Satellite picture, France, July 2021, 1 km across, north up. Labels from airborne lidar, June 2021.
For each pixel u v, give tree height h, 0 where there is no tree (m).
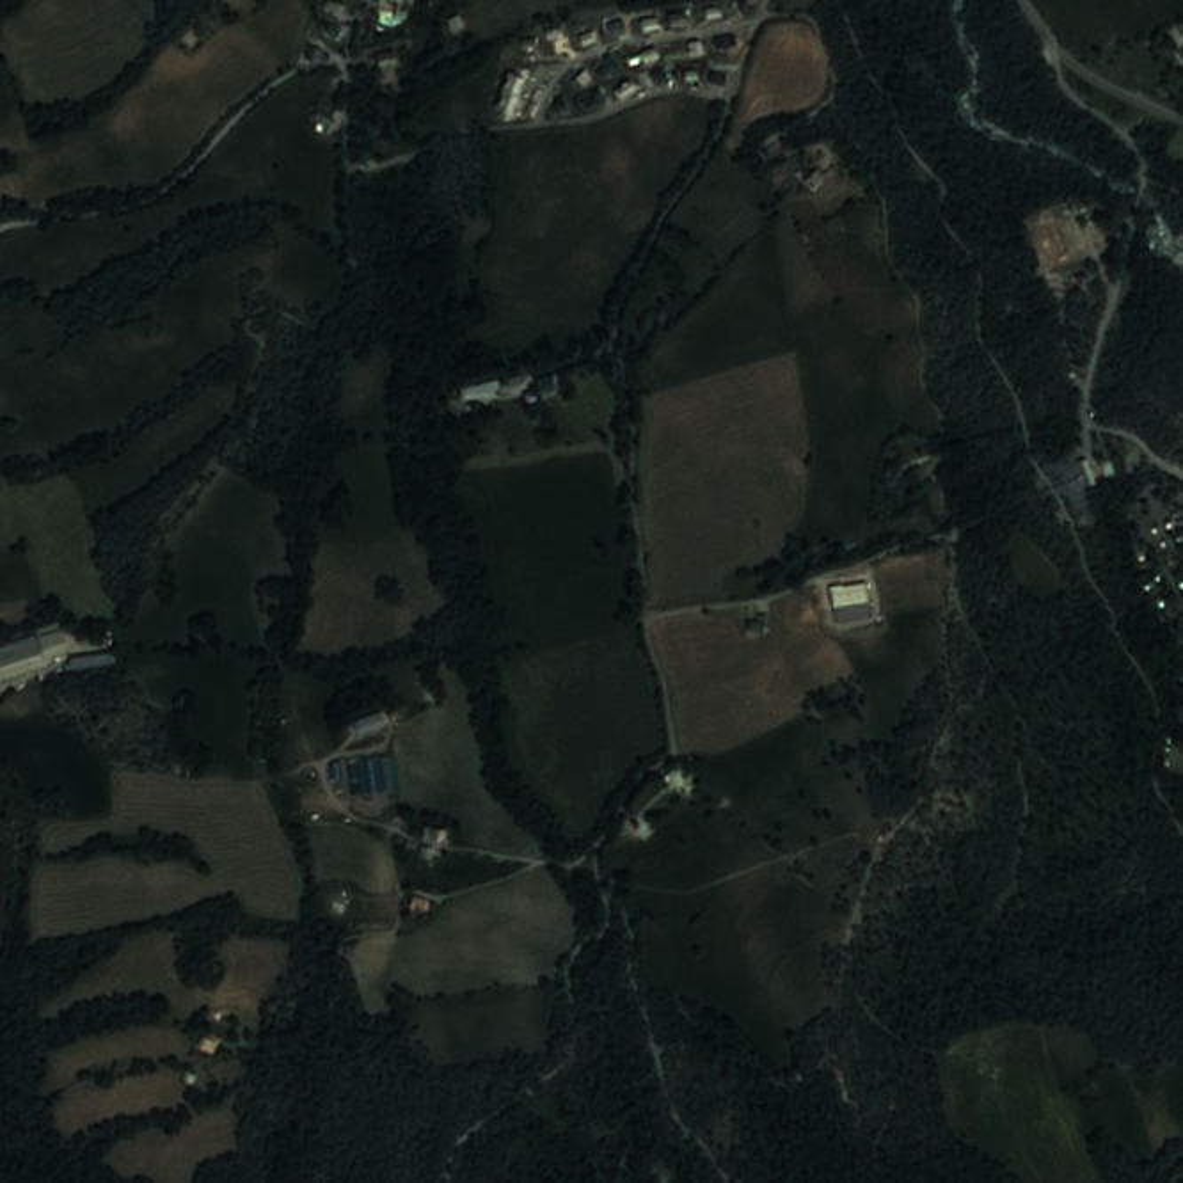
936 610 0
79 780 0
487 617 19
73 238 0
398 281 12
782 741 0
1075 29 0
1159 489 8
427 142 12
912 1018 16
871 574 0
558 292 0
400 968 0
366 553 0
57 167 0
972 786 12
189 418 0
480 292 10
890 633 0
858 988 13
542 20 11
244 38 0
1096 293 10
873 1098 6
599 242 0
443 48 12
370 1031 8
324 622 0
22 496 0
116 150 0
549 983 13
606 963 14
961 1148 13
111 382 0
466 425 14
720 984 0
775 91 0
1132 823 20
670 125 0
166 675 0
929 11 10
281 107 0
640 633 9
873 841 0
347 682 14
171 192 6
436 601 0
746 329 0
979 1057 0
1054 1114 0
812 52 0
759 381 0
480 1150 13
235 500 0
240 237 7
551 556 0
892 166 15
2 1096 11
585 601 0
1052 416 9
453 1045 0
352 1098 10
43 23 0
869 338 0
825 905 0
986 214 17
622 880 16
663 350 0
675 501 0
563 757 0
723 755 0
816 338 0
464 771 0
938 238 17
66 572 0
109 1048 0
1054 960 13
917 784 12
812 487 0
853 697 8
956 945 7
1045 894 14
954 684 8
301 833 10
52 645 0
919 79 15
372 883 0
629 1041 7
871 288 0
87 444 15
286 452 16
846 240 0
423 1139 10
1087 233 0
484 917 0
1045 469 6
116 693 6
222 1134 0
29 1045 10
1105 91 0
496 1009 0
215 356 9
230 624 0
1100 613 14
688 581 0
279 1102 8
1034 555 0
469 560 16
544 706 0
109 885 0
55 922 0
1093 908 14
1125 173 13
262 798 0
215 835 0
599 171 0
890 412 0
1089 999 12
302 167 0
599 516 0
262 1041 11
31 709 0
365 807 0
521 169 0
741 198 0
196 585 0
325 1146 7
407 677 0
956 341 10
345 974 8
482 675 18
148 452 0
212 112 0
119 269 11
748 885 0
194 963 8
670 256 10
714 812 7
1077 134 13
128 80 6
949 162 13
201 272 0
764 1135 8
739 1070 17
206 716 0
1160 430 8
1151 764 19
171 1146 0
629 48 0
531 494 0
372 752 0
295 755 0
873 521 6
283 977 7
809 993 0
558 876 10
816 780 0
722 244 0
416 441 23
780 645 0
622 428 21
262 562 0
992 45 8
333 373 10
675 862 0
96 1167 10
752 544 0
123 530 13
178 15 9
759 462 0
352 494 17
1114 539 11
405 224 15
